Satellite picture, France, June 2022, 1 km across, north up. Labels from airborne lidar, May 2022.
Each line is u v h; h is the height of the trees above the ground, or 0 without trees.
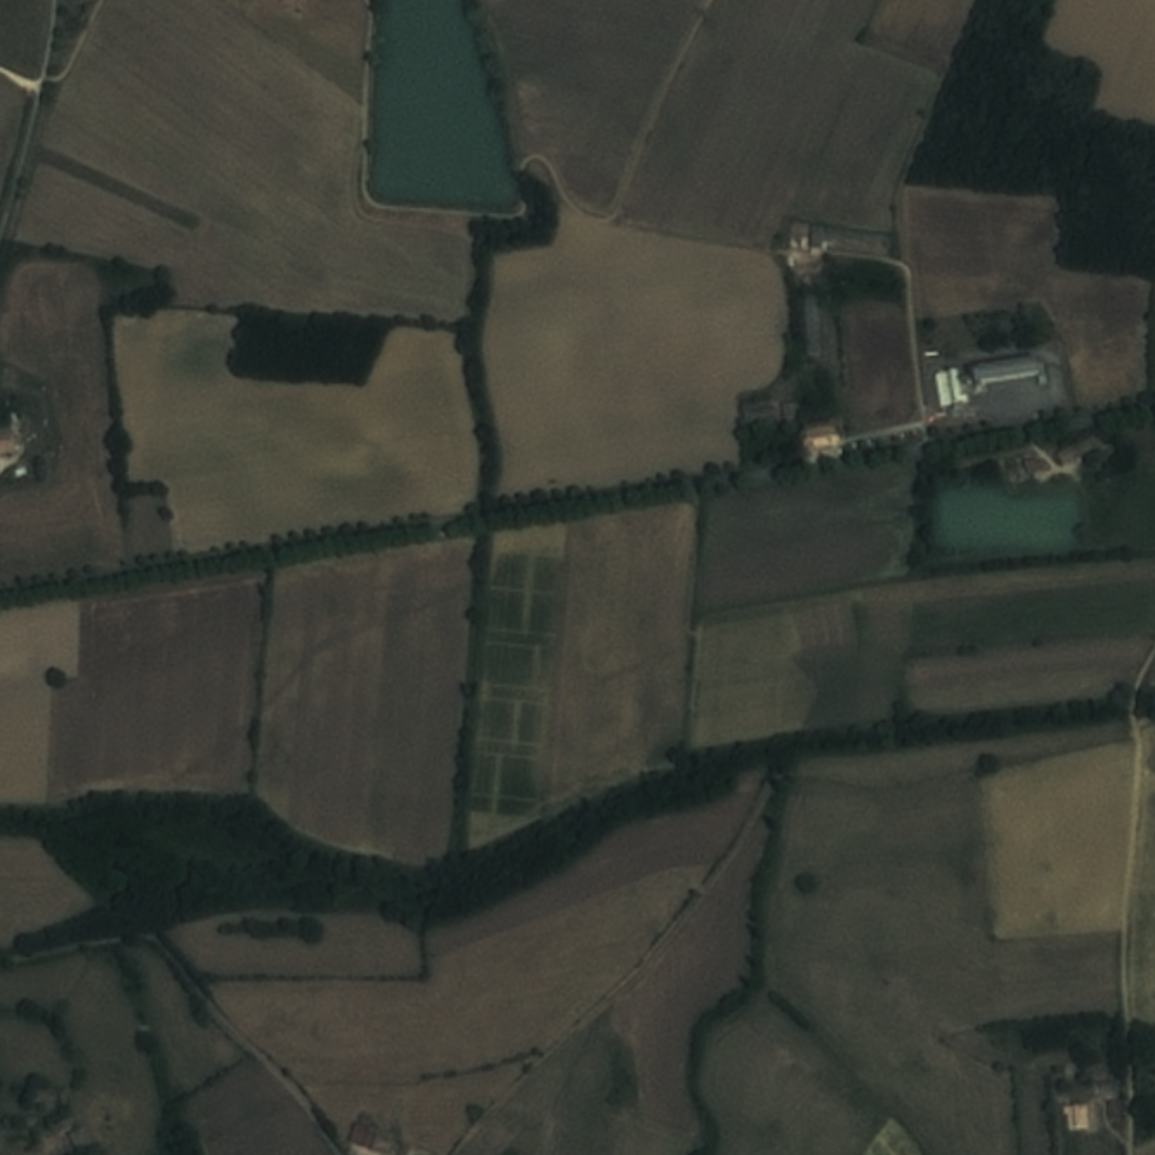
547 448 0
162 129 0
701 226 0
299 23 0
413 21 0
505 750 0
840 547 0
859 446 9
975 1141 0
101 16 0
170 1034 0
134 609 0
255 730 10
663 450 0
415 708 0
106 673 0
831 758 0
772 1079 0
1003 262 0
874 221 0
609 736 0
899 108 0
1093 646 0
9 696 0
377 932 0
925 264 0
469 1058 0
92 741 0
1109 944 0
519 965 0
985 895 0
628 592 0
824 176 0
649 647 0
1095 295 0
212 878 7
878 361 0
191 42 0
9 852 0
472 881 19
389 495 0
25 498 0
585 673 0
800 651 0
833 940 0
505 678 0
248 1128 0
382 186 0
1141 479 0
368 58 11
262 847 10
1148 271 15
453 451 0
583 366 0
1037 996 0
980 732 21
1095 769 0
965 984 0
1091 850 0
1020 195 16
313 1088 0
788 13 0
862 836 0
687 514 0
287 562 26
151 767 0
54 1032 13
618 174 0
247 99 0
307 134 0
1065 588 0
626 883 0
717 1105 0
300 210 0
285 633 0
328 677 0
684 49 0
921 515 12
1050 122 19
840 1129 0
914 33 0
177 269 0
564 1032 0
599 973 0
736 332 0
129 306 15
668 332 0
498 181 0
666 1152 0
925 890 0
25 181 7
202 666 0
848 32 0
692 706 0
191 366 0
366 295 0
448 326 8
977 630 0
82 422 0
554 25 0
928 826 0
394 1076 0
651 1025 0
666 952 0
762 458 16
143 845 8
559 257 0
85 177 0
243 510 0
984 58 15
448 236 0
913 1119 0
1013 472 0
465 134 0
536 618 0
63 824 10
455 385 0
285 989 0
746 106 0
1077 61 10
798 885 11
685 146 0
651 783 9
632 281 0
